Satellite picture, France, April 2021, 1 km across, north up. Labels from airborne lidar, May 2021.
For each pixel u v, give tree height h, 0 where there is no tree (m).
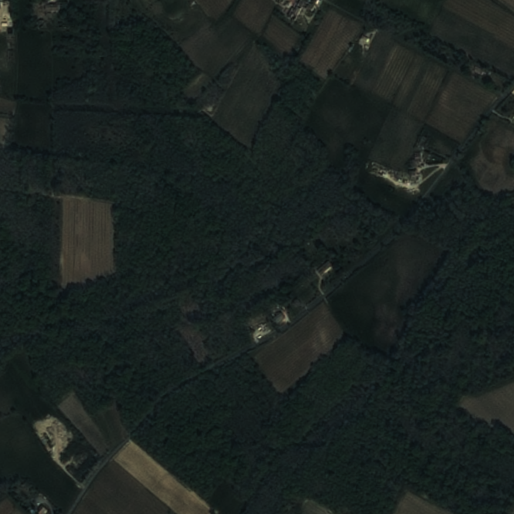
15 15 17
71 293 21
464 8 0
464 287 18
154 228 20
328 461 16
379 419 21
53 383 19
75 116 15
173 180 24
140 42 21
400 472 23
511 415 0
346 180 12
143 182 13
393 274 0
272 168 17
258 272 17
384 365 26
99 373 20
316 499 13
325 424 12
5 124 0
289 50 0
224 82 11
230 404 18
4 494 9
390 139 0
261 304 20
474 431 22
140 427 19
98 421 0
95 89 21
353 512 17
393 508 16
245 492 20
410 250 0
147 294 19
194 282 24
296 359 0
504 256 24
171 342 18
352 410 13
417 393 23
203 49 0
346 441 20
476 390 19
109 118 11
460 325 10
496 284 22
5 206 19
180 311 24
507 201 23
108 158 7
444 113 0
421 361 19
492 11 0
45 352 17
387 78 0
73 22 22
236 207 25
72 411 0
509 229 18
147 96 13
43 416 0
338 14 0
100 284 18
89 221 0
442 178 0
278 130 17
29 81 0
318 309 0
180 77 22
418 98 0
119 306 22
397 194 0
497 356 17
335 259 9
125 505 0
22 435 0
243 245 23
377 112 0
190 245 18
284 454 23
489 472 18
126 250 19
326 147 17
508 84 13
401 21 13
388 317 0
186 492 0
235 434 13
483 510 25
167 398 22
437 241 22
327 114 0
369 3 10
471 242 26
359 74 0
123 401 19
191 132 20
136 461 0
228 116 0
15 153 21
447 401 16
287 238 19
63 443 0
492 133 0
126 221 18
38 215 20
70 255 0
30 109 0
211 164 21
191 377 15
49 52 0
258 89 0
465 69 16
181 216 22
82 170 13
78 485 0
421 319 22
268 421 11
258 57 0
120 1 8
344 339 9
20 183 19
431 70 0
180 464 18
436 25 0
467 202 25
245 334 7
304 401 19
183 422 24
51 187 8
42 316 31
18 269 19
